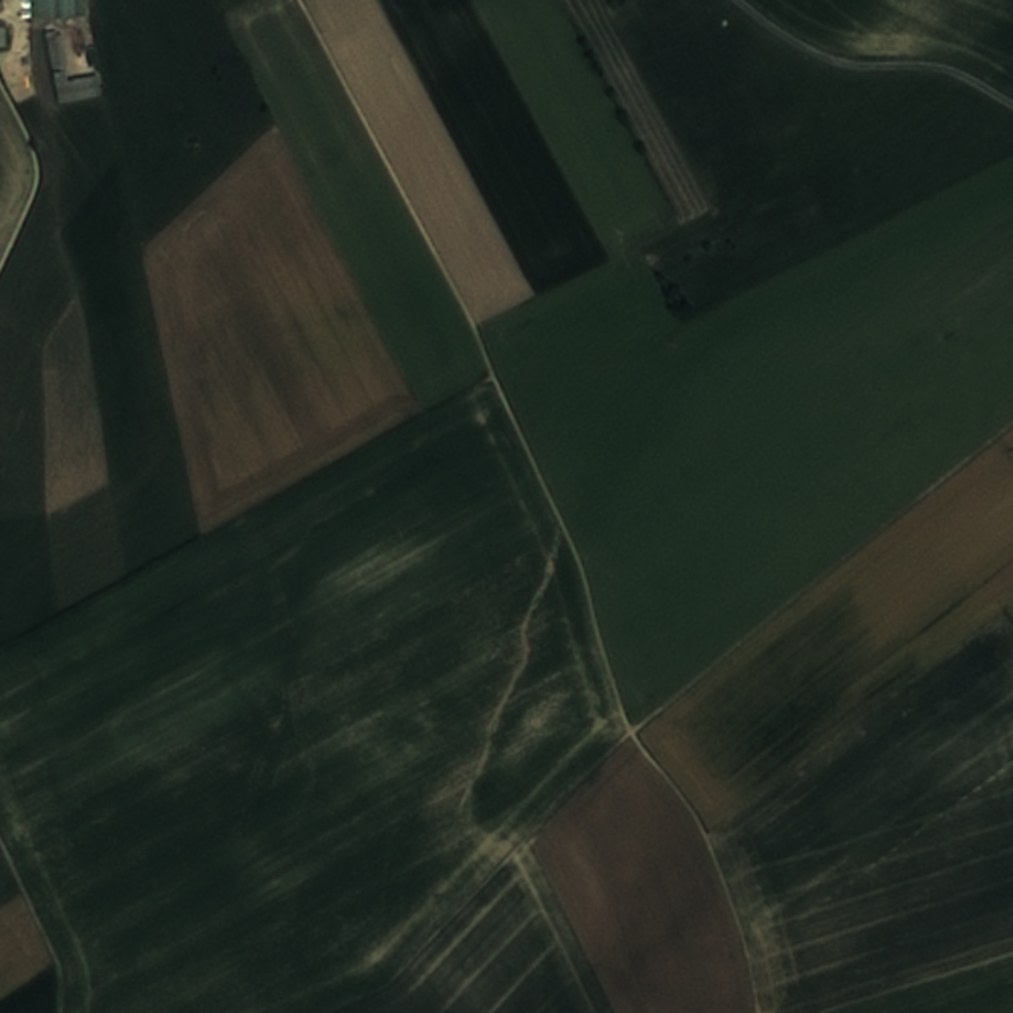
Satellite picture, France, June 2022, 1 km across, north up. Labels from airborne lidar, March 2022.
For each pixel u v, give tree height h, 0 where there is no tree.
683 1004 0
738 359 0
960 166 0
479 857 0
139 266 0
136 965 0
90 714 0
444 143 0
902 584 0
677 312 16
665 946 0
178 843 0
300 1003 0
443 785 0
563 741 0
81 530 0
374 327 0
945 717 0
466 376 0
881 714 0
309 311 0
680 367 0
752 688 0
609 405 0
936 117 0
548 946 0
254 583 0
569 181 0
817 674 0
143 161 0
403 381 0
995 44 0
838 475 0
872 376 0
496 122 0
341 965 0
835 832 0
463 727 0
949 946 0
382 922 0
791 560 0
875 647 0
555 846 0
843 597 0
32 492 0
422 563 0
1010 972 0
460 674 0
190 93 0
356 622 0
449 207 0
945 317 0
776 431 0
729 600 0
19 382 0
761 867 0
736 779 0
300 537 0
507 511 0
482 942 0
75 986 0
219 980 0
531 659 0
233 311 0
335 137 0
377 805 0
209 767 0
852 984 0
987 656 0
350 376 0
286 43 0
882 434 0
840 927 0
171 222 0
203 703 0
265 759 0
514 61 0
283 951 0
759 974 0
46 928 0
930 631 0
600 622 0
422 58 0
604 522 0
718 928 0
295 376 0
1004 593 0
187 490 0
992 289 0
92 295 0
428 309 0
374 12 0
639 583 0
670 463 0
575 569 0
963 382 0
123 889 0
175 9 0
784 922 0
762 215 0
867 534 0
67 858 0
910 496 0
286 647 0
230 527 0
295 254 0
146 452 0
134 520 0
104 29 0
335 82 0
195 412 0
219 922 0
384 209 0
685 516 0
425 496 0
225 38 0
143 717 0
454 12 0
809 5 0
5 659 0
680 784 0
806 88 0
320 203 0
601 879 0
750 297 0
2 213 0
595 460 0
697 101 0
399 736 0
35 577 0
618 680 0
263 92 0
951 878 0
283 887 0
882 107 0
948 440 0
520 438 0
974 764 0
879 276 0
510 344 0
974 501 0
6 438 0
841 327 0
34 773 0
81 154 0
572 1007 0
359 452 0
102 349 0
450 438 0
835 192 0
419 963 0
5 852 0
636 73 0
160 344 0
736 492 0
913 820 0
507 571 0
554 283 0
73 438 0
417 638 0
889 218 0
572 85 0
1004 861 0
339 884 0
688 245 0
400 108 0
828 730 0
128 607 0
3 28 0
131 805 0
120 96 0
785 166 0
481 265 0
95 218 0
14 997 0
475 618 0
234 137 0
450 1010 0
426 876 0
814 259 0
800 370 0
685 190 0
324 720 0
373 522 0
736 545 0
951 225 0
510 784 0
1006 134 0
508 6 0
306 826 0
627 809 0
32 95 0
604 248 0
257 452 0
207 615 0
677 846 0
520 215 0
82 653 0
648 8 0
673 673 0
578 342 0
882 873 0
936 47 0
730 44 0
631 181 0
